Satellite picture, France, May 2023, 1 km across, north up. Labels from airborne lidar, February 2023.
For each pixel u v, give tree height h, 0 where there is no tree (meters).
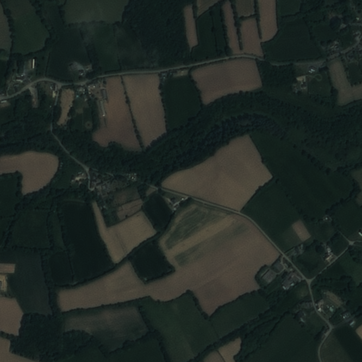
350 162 0
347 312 6
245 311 0
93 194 7
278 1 8
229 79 0
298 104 0
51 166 0
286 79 8
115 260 0
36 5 13
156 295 0
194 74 0
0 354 0
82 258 0
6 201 0
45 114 9
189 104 0
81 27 16
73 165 8
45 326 20
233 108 18
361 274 0
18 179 10
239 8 0
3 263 0
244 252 0
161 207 0
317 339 11
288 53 0
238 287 0
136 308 0
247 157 0
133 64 0
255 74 0
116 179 19
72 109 10
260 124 25
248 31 0
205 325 0
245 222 0
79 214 0
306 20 13
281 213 0
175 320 0
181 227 0
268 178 0
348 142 7
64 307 0
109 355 8
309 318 0
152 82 0
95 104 6
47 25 8
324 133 18
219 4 13
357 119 19
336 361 0
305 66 0
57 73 0
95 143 10
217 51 11
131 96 0
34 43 0
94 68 14
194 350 0
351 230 0
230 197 0
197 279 0
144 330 0
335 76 0
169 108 0
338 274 0
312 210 0
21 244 0
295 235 0
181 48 17
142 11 19
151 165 20
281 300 12
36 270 0
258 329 12
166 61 18
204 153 21
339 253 0
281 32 10
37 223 0
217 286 0
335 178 0
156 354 0
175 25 20
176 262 0
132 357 0
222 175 0
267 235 0
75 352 14
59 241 0
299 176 0
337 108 8
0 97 0
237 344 0
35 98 0
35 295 0
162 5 18
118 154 6
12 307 0
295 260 9
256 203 0
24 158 0
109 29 0
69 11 0
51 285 19
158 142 21
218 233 0
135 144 0
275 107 19
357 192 9
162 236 0
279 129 21
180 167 15
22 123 7
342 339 0
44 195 27
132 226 0
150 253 0
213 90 0
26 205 17
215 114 19
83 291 0
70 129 9
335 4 9
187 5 8
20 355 17
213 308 0
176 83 0
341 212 0
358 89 0
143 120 0
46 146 15
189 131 19
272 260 0
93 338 13
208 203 0
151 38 16
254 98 15
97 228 9
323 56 8
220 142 10
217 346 16
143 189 18
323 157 0
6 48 0
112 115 0
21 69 8
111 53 0
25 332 19
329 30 0
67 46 0
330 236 0
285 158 0
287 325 0
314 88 0
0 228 0
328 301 0
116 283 0
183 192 0
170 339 0
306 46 0
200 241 0
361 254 8
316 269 0
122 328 0
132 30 13
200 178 0
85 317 0
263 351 0
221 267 0
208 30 0
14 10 0
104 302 0
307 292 0
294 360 0
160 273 0
